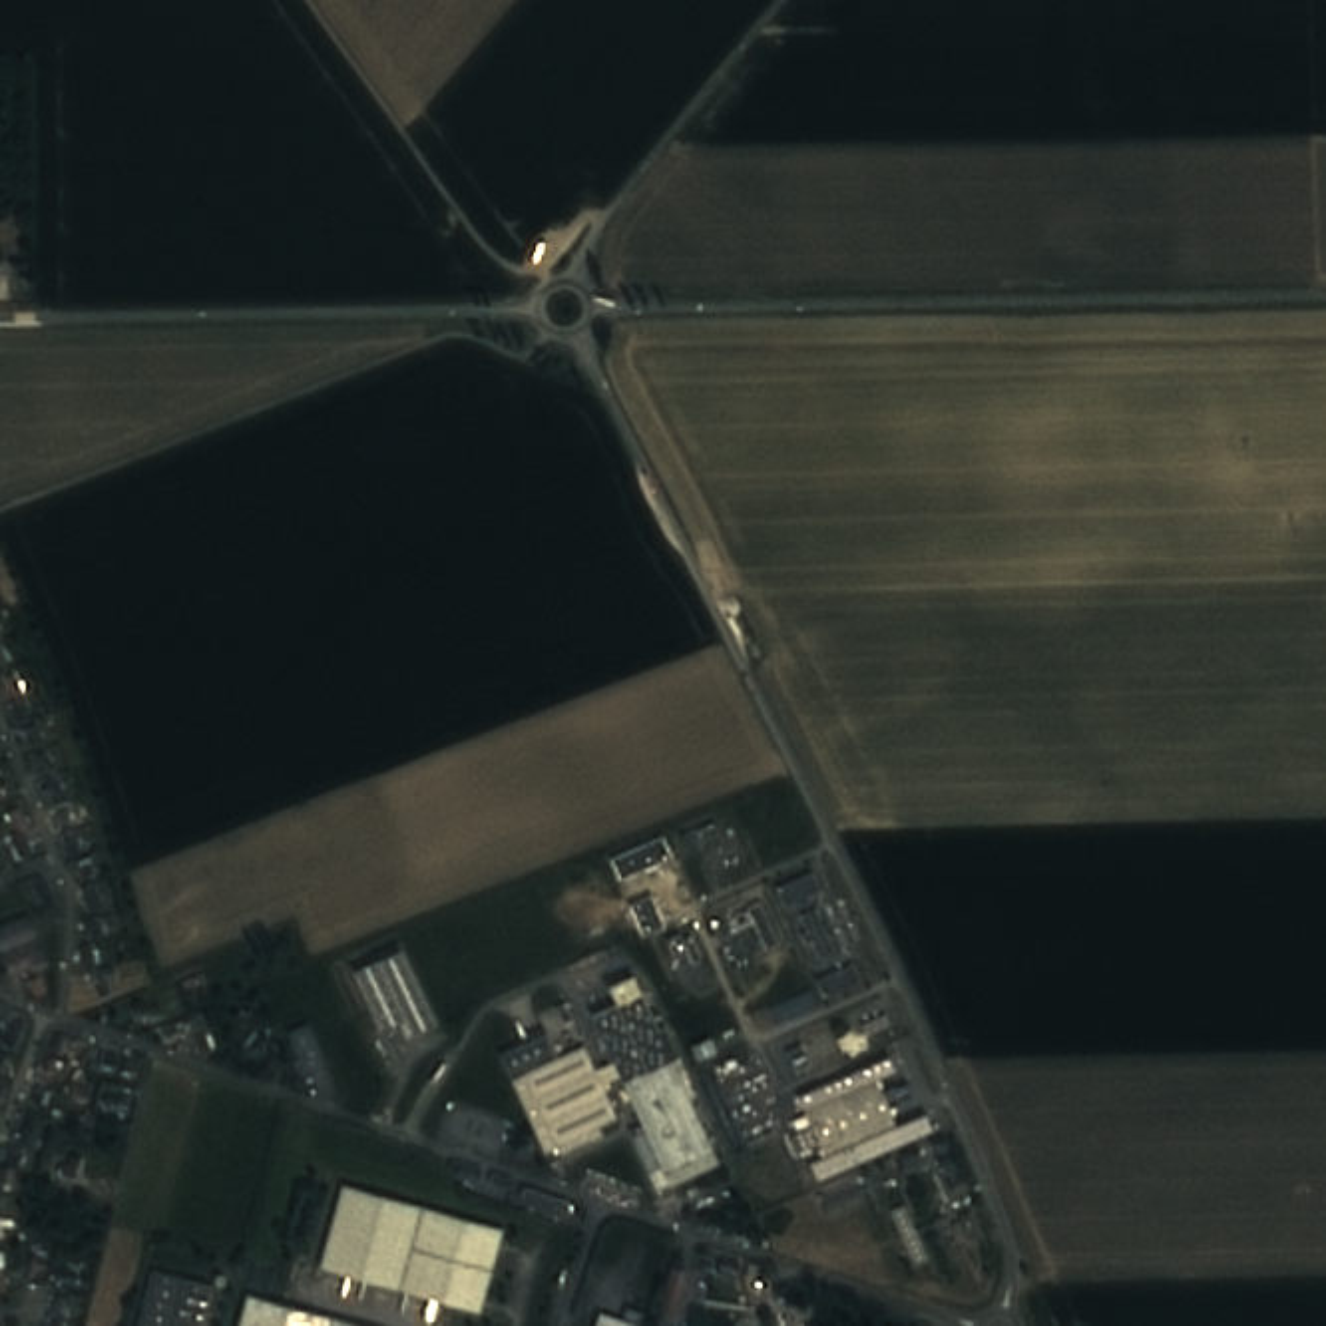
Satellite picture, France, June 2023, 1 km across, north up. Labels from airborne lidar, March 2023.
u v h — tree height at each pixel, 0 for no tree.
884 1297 0
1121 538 0
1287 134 0
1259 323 0
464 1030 0
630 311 0
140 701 0
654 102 0
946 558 0
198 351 0
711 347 0
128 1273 0
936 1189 0
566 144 0
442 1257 0
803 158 0
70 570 0
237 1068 12
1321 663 0
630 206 0
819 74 0
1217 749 0
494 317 0
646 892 0
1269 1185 0
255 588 0
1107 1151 0
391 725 0
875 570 0
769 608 0
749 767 0
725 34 0
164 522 0
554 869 0
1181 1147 0
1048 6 0
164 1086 0
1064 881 0
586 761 0
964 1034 0
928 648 0
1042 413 0
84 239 0
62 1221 10
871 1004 0
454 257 0
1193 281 0
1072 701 0
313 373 0
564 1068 0
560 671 0
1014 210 0
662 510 0
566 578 0
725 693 0
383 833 0
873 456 0
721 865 0
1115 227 0
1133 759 0
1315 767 0
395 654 0
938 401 0
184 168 0
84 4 0
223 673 0
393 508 0
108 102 0
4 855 0
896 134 0
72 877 0
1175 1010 0
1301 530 0
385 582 0
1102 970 0
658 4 0
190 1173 0
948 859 0
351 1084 0
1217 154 0
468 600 0
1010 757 0
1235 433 0
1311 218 0
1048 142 0
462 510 0
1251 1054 0
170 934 0
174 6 0
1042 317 0
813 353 0
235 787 0
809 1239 0
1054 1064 0
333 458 0
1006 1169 0
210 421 0
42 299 0
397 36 0
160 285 0
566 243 0
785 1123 0
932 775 0
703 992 0
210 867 0
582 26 0
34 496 0
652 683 0
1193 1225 0
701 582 0
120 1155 0
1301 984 0
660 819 0
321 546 0
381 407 0
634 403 0
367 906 0
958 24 0
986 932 0
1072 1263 0
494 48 0
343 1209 0
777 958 0
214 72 0
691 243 0
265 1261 0
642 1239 0
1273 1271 0
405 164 0
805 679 0
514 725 0
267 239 0
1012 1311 0
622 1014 0
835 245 0
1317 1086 0
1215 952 0
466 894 0
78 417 0
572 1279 0
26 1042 0
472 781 0
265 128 0
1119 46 0
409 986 0
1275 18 0
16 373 0
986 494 0
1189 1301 0
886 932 0
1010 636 0
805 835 0
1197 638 0
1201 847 0
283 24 0
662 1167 0
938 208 0
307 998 0
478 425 0
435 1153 0
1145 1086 0
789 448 0
